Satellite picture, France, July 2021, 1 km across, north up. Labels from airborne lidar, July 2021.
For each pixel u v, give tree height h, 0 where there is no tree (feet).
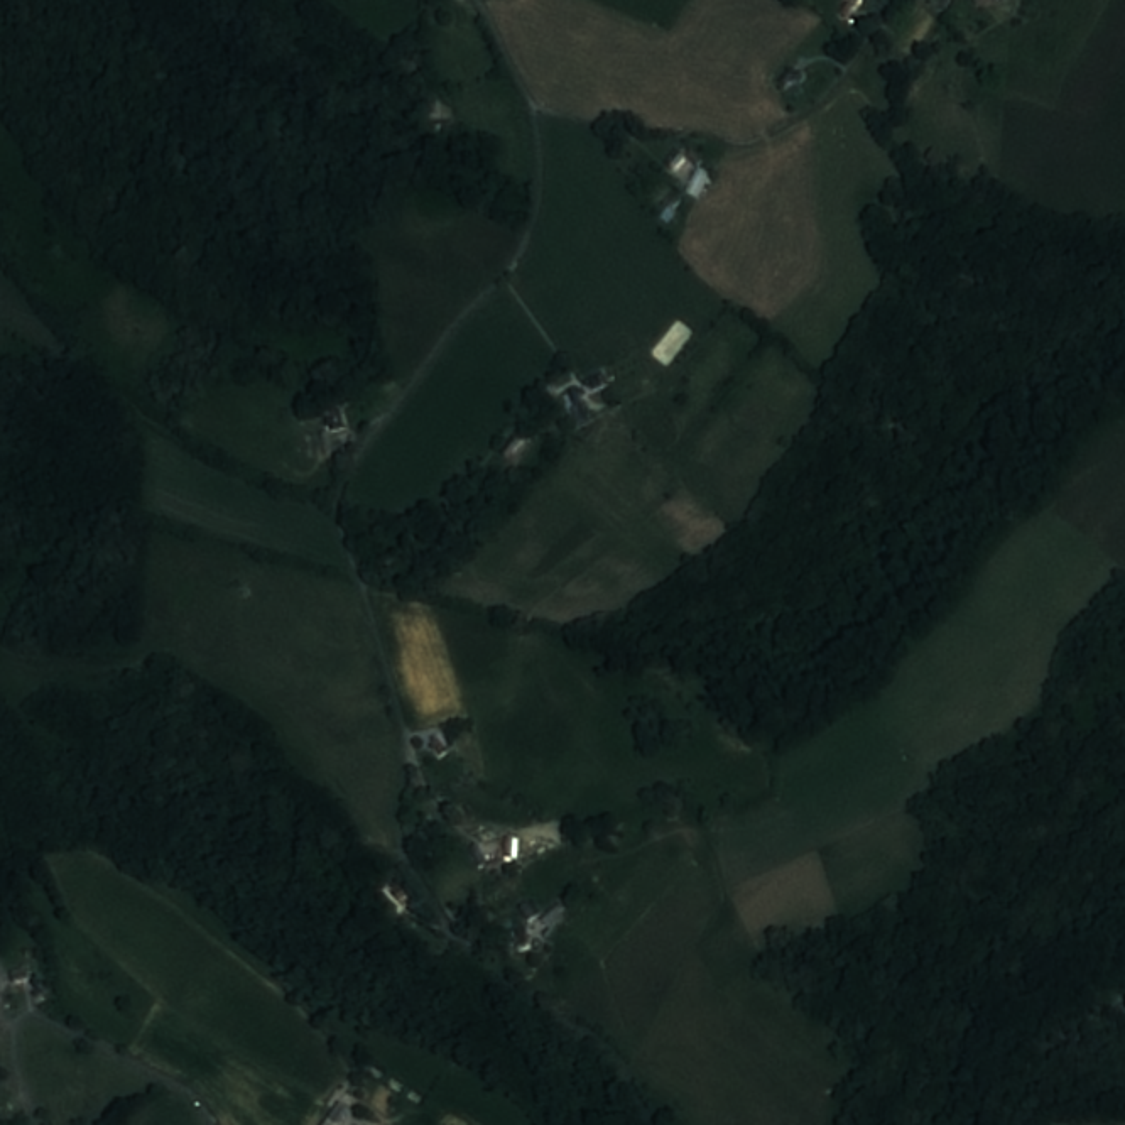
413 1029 64
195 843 76
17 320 0
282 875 90
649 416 0
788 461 29
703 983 0
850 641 81
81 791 59
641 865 0
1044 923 68
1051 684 45
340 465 61
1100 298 77
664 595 44
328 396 49
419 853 69
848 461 52
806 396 0
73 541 40
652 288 0
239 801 49
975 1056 81
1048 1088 53
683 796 41
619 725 0
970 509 63
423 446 0
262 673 0
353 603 0
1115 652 82
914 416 65
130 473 30
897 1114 78
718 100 0
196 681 27
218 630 0
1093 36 0
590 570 0
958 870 57
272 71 80
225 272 74
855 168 0
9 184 0
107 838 70
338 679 0
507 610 44
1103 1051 50
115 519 78
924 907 56
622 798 0
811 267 0
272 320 86
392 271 0
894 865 0
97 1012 0
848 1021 76
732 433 0
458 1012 52
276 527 0
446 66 0
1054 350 83
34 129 61
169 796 66
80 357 58
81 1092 0
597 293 0
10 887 89
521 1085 29
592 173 0
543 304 0
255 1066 0
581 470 0
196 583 0
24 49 78
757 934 0
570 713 0
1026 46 0
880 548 70
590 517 0
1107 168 0
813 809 0
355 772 0
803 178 0
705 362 0
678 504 0
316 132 80
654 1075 0
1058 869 58
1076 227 56
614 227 0
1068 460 49
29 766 29
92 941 0
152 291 60
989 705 0
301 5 37
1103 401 51
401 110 36
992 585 0
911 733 0
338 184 66
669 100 0
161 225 90
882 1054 69
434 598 33
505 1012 82
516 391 0
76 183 44
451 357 0
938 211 86
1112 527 0
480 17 33
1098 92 0
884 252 80
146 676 30
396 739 0
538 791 0
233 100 89
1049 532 0
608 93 0
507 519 28
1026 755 68
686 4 0
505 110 0
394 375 23
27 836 47
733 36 0
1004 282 68
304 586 0
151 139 40
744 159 0
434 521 71
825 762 0
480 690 0
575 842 65
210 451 29
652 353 0
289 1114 0
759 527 43
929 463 94
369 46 46
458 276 0
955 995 73
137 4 85
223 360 88
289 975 44
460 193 58
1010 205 52
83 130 40
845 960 73
